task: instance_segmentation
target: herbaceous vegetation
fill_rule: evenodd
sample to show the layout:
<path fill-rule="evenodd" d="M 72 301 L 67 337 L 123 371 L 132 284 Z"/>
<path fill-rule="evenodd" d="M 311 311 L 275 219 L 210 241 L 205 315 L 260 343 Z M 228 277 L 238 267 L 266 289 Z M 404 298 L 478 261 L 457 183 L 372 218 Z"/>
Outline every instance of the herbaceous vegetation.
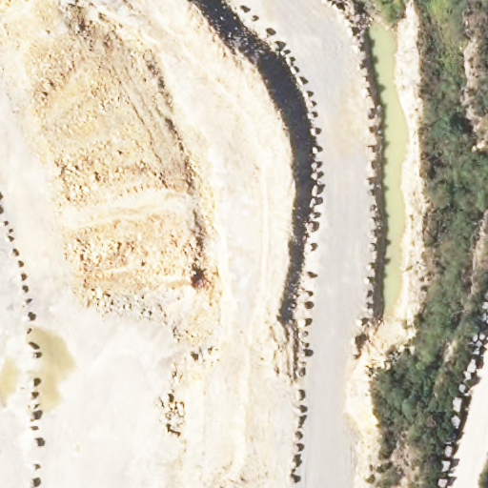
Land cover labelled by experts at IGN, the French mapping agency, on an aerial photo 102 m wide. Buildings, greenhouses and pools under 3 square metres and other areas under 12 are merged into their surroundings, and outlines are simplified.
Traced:
<path fill-rule="evenodd" d="M 383 475 L 383 488 L 395 488 L 400 484 L 400 478 L 404 477 L 404 471 L 393 463 L 385 463 L 379 465 L 379 473 Z"/>
<path fill-rule="evenodd" d="M 408 0 L 379 0 L 387 10 L 389 23 L 402 21 L 406 17 Z"/>
<path fill-rule="evenodd" d="M 463 313 L 463 305 L 459 299 L 465 294 L 461 284 L 471 282 L 473 250 L 477 246 L 478 227 L 482 212 L 488 210 L 488 151 L 473 149 L 477 145 L 477 135 L 473 132 L 471 122 L 467 120 L 467 109 L 475 109 L 480 116 L 488 116 L 488 19 L 480 23 L 478 51 L 469 59 L 471 67 L 477 69 L 477 86 L 469 88 L 465 84 L 463 67 L 463 51 L 469 40 L 463 34 L 463 13 L 467 4 L 463 0 L 412 0 L 416 4 L 419 19 L 416 46 L 419 53 L 419 99 L 423 101 L 423 116 L 417 120 L 421 158 L 419 175 L 423 179 L 423 194 L 427 208 L 431 208 L 433 221 L 429 238 L 423 242 L 423 246 L 427 246 L 433 252 L 438 280 L 437 294 L 431 295 L 429 299 L 423 299 L 419 313 L 414 318 L 416 335 L 412 337 L 412 341 L 416 345 L 416 353 L 404 349 L 404 355 L 393 368 L 396 372 L 402 372 L 402 368 L 408 368 L 408 377 L 412 381 L 421 381 L 425 366 L 433 360 L 437 349 L 446 351 L 452 339 L 456 339 L 457 345 L 473 343 L 473 335 L 478 334 L 477 324 L 469 313 Z"/>
<path fill-rule="evenodd" d="M 370 381 L 372 400 L 377 395 L 383 395 L 383 391 L 389 387 L 387 370 L 381 368 L 379 376 Z"/>

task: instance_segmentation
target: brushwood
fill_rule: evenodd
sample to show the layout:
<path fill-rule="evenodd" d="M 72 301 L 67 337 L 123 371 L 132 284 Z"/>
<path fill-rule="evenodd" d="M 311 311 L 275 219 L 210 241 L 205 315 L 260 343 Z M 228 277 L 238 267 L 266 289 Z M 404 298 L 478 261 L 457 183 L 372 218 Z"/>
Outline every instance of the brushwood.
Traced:
<path fill-rule="evenodd" d="M 459 393 L 459 385 L 471 362 L 471 355 L 475 353 L 473 343 L 457 345 L 456 339 L 452 339 L 446 351 L 437 349 L 433 360 L 425 366 L 421 381 L 412 381 L 408 377 L 408 368 L 402 368 L 402 372 L 396 372 L 393 368 L 387 370 L 389 387 L 383 391 L 383 395 L 377 395 L 372 400 L 374 416 L 381 433 L 379 457 L 393 456 L 395 446 L 414 446 L 421 456 L 419 473 L 425 477 L 423 488 L 440 488 L 438 480 L 442 473 L 442 461 L 446 456 L 446 442 L 452 440 L 450 433 L 454 429 L 454 398 Z"/>

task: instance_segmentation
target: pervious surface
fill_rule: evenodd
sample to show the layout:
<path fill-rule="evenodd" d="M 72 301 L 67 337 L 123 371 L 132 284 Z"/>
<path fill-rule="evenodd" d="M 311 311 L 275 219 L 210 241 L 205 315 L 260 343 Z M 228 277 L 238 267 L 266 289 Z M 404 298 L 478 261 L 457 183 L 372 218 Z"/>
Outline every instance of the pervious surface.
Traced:
<path fill-rule="evenodd" d="M 477 145 L 473 149 L 488 151 L 488 116 L 480 116 L 475 109 L 467 109 L 467 120 L 471 122 L 473 132 L 477 135 Z"/>
<path fill-rule="evenodd" d="M 446 442 L 446 456 L 442 461 L 442 473 L 438 480 L 440 488 L 488 488 L 488 210 L 482 212 L 478 227 L 477 246 L 473 250 L 471 282 L 461 284 L 465 294 L 459 299 L 463 305 L 463 313 L 469 313 L 477 324 L 478 334 L 473 335 L 473 343 L 475 353 L 471 355 L 471 362 L 459 385 L 459 393 L 454 398 L 454 429 L 450 433 L 452 440 Z"/>
<path fill-rule="evenodd" d="M 419 53 L 416 46 L 419 19 L 416 4 L 412 0 L 408 0 L 406 17 L 402 21 L 389 23 L 387 10 L 379 0 L 0 0 L 0 488 L 383 488 L 383 475 L 379 473 L 379 465 L 385 463 L 393 463 L 404 471 L 404 477 L 400 478 L 400 484 L 395 488 L 423 488 L 425 477 L 419 473 L 421 456 L 414 446 L 395 446 L 393 456 L 379 457 L 381 433 L 374 416 L 372 400 L 370 381 L 379 376 L 381 368 L 387 370 L 393 368 L 404 355 L 404 349 L 416 353 L 416 345 L 412 341 L 412 337 L 416 335 L 414 318 L 419 313 L 423 299 L 429 299 L 431 295 L 437 294 L 438 280 L 433 252 L 427 246 L 423 246 L 423 242 L 429 238 L 433 221 L 431 208 L 427 208 L 423 194 L 423 179 L 419 175 L 421 158 L 417 120 L 423 116 L 423 101 L 419 99 Z"/>
<path fill-rule="evenodd" d="M 480 23 L 488 19 L 488 0 L 463 0 L 467 4 L 463 13 L 463 34 L 469 40 L 463 51 L 463 67 L 465 84 L 469 88 L 477 86 L 477 69 L 471 67 L 469 59 L 478 51 Z"/>

